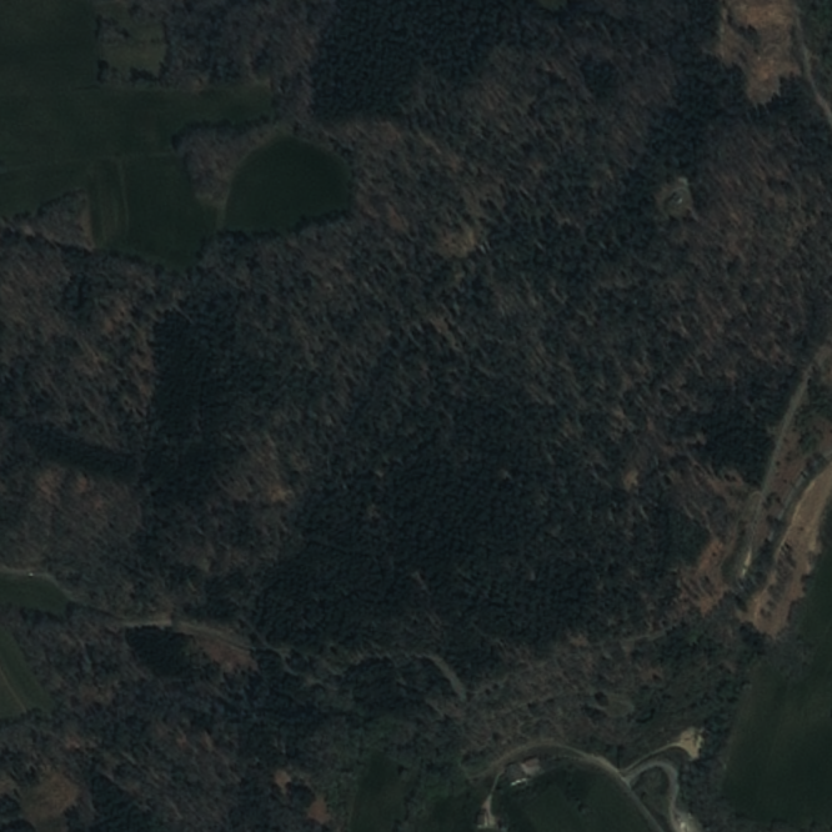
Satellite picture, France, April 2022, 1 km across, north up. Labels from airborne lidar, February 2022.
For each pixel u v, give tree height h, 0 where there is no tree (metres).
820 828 14
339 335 19
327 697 24
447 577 27
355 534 23
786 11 0
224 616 23
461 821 0
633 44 27
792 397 26
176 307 25
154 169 0
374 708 23
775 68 0
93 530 22
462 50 24
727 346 31
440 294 20
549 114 22
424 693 23
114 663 6
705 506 28
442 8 25
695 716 9
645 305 22
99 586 15
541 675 19
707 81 15
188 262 0
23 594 0
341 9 21
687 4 23
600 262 20
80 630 29
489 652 23
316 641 34
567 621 27
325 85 31
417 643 21
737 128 31
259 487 30
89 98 0
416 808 25
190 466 20
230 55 25
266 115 0
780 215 22
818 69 23
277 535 26
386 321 25
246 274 22
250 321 18
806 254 25
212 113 0
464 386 26
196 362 19
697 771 15
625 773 0
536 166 27
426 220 22
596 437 16
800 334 29
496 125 26
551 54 25
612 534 19
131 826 24
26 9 0
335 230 25
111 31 18
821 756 0
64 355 18
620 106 27
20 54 0
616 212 25
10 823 27
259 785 16
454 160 21
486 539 26
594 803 0
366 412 26
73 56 0
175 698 25
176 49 23
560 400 26
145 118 0
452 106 24
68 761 25
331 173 0
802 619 17
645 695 18
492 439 22
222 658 0
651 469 25
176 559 18
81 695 29
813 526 0
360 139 22
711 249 24
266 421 21
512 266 28
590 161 24
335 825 7
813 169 27
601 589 23
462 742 26
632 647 0
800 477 0
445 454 26
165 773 24
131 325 21
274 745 13
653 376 24
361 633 25
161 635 16
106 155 0
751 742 0
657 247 21
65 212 14
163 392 21
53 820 29
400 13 33
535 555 16
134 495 21
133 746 27
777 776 0
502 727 25
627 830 0
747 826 16
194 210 0
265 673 18
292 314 25
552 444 17
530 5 18
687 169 13
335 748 16
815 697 0
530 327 22
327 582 22
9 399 22
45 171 0
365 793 0
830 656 0
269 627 25
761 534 0
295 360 17
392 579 33
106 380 18
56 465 23
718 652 11
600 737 16
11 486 21
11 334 24
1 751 21
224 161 25
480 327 20
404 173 22
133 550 18
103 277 25
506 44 22
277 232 0
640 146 23
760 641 27
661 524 17
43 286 21
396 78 25
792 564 23
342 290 25
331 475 15
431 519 26
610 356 22
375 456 19
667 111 23
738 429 16
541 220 0
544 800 0
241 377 20
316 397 19
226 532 19
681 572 11
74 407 20
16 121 0
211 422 21
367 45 27
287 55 25
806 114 26
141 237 0
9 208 0
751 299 23
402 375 23
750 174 30
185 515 20
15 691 0
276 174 0
